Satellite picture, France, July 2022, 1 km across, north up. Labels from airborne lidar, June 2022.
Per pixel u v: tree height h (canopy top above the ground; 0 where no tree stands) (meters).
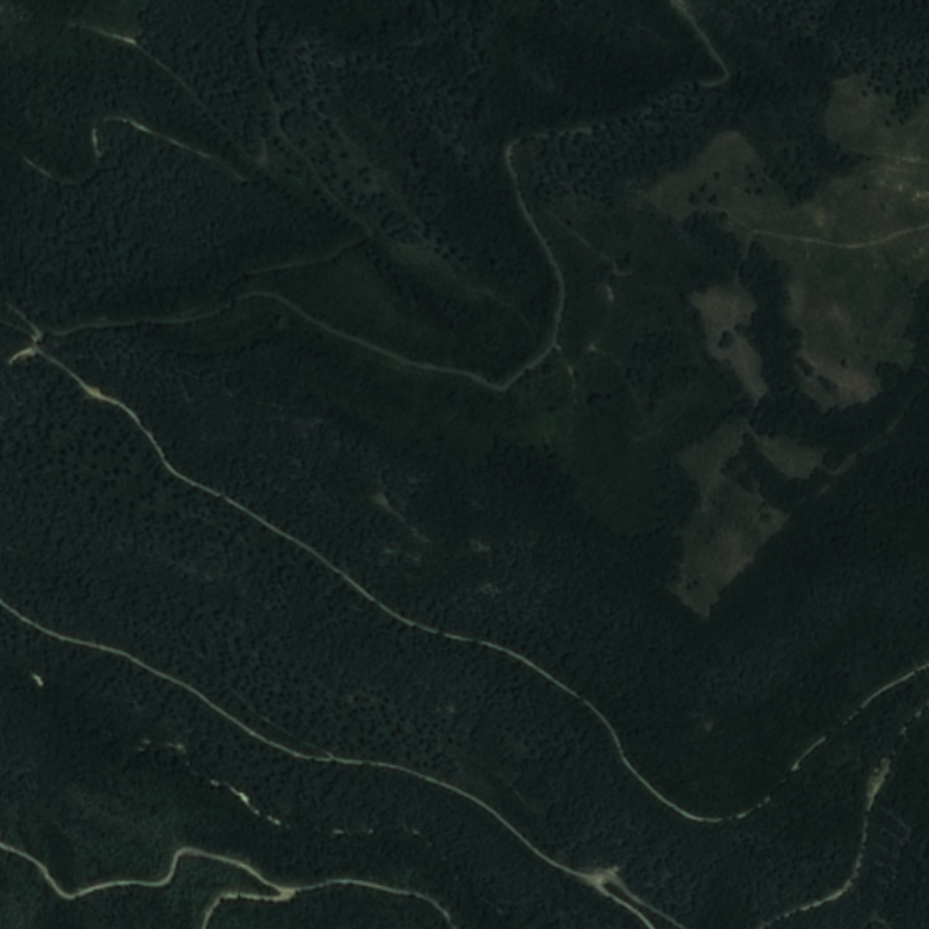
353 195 16
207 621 21
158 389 9
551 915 8
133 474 22
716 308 0
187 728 7
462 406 9
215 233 14
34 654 9
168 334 9
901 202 0
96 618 10
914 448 13
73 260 20
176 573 11
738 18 7
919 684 12
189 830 10
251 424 11
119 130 11
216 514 22
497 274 7
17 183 9
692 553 0
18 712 10
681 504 9
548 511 9
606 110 8
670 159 10
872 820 14
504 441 14
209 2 14
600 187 17
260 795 20
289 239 16
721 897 13
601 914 9
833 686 13
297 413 8
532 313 7
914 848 9
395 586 13
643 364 9
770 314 9
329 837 14
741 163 0
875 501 14
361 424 11
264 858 8
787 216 0
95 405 7
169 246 16
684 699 10
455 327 16
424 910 10
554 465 9
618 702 10
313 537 16
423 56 15
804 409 10
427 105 18
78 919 11
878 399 9
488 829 10
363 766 9
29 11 6
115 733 16
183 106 14
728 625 11
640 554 12
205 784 14
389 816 18
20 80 18
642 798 12
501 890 12
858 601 8
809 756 13
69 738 13
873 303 0
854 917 11
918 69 18
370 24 8
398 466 12
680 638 7
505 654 14
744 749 16
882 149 0
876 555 11
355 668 8
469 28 22
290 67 18
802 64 9
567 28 8
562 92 6
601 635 16
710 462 0
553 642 14
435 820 9
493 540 5
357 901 9
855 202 0
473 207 7
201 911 6
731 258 10
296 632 10
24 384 11
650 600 7
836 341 0
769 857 17
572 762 16
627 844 14
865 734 18
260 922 9
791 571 8
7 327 13
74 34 10
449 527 8
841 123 0
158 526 20
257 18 6
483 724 11
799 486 8
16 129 12
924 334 9
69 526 20
